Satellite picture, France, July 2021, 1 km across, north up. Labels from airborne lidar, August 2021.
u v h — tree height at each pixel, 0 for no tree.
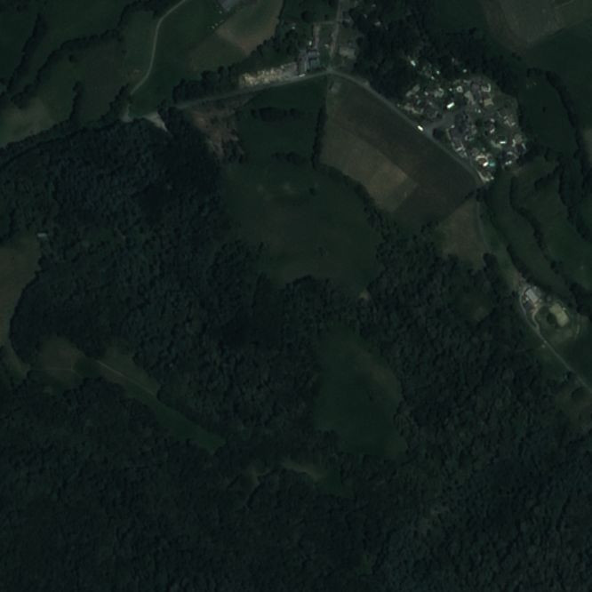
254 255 8
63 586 23
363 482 23
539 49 0
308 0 10
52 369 0
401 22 7
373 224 17
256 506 22
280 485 23
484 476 28
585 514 27
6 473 19
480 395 23
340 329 0
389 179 0
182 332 26
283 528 23
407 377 24
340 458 19
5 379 9
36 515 22
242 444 19
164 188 35
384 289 25
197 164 35
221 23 0
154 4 15
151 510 26
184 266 24
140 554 26
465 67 13
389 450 0
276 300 12
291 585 27
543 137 0
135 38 0
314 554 18
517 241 0
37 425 19
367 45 29
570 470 22
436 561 15
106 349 15
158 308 27
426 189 0
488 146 6
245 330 32
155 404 0
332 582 28
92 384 20
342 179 14
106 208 30
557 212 0
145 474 27
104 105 0
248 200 0
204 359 25
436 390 30
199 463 25
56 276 25
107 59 0
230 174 0
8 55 0
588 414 0
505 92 18
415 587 30
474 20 0
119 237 18
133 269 31
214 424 19
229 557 22
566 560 27
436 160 0
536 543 26
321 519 20
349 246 0
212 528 19
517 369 25
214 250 21
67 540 13
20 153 14
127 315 20
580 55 0
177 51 0
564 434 13
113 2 0
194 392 26
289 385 24
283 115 19
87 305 25
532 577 28
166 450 18
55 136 10
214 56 0
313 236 0
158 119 0
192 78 0
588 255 0
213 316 31
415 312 28
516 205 11
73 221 23
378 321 20
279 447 24
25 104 17
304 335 24
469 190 0
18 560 22
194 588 7
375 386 0
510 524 27
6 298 0
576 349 0
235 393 26
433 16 26
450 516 19
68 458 28
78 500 22
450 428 28
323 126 12
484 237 0
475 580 16
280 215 0
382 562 14
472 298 0
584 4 0
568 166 10
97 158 22
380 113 0
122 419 22
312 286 27
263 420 26
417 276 6
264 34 0
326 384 0
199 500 23
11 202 20
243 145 17
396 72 18
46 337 19
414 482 24
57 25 0
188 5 0
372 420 0
